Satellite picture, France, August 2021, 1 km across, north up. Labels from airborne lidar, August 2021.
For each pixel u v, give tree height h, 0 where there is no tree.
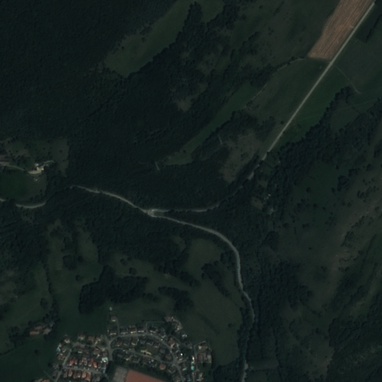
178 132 18
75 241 8
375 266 8
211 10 0
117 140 12
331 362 8
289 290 19
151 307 0
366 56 0
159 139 13
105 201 20
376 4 9
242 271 11
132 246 12
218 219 16
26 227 16
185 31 10
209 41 18
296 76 0
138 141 10
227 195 17
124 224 15
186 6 0
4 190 0
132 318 0
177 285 0
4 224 17
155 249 16
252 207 11
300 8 0
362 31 0
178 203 21
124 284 20
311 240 0
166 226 19
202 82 10
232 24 22
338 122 0
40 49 15
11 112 16
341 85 0
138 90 17
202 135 0
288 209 7
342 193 11
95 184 14
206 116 16
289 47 0
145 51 0
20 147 0
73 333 0
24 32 16
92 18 9
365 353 12
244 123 20
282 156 16
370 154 0
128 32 11
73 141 15
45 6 15
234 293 0
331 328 12
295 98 0
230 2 10
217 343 0
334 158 14
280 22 0
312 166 12
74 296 0
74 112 16
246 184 20
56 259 0
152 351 0
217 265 19
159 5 17
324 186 0
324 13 0
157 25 0
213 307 0
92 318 0
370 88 0
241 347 13
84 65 13
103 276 16
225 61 0
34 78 14
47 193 14
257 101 0
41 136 16
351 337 20
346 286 8
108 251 18
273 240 15
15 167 0
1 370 0
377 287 0
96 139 12
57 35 14
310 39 0
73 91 12
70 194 23
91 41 18
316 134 23
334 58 0
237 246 22
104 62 6
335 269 0
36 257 17
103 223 22
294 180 13
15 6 15
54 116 14
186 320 0
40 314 0
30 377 0
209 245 0
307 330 0
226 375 6
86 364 0
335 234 0
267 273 18
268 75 13
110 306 0
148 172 14
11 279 7
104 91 7
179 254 15
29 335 7
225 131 14
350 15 0
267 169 0
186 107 0
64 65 19
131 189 15
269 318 23
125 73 0
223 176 8
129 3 17
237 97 0
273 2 0
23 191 0
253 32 0
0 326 0
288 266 16
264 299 20
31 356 0
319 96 0
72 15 15
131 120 13
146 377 0
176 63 16
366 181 10
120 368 0
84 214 21
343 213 0
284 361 12
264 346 10
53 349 0
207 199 12
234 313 0
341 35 0
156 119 16
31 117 15
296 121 0
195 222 19
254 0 13
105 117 13
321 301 0
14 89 13
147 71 22
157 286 0
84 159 19
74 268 16
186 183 16
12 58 11
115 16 16
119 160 19
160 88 14
